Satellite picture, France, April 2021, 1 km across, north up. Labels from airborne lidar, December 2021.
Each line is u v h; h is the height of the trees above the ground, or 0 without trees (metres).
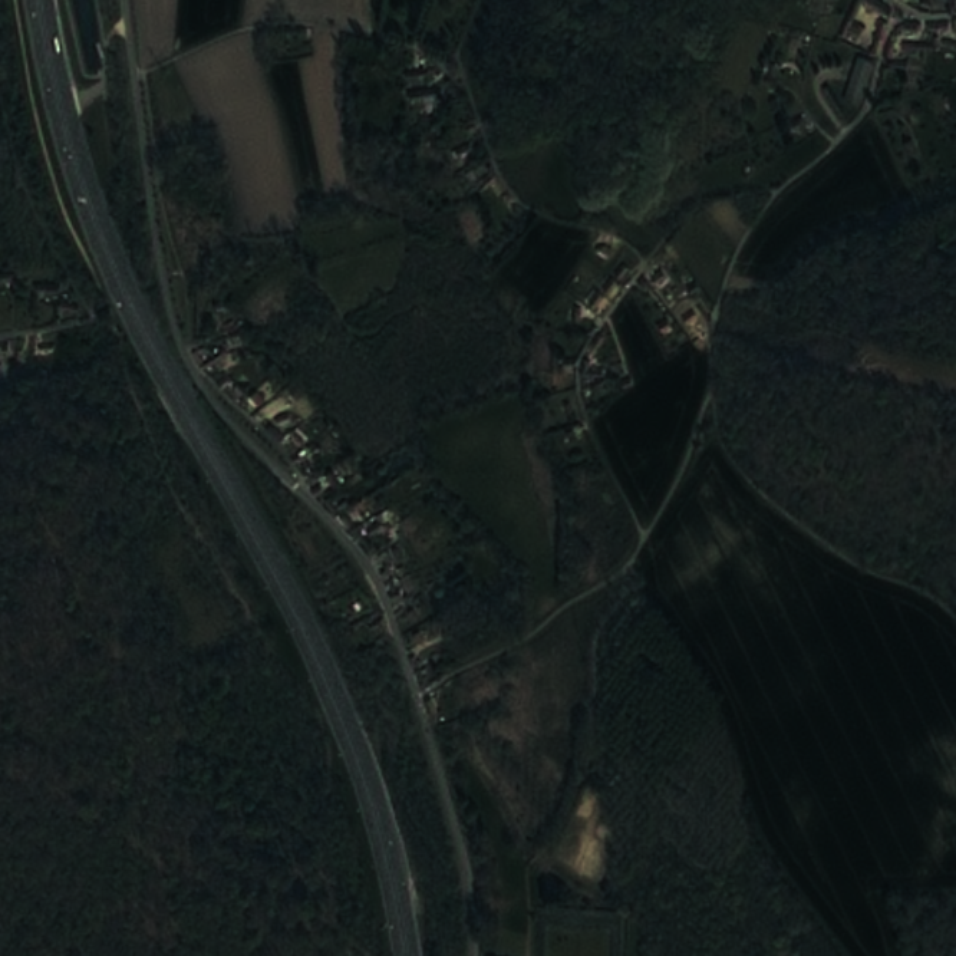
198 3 0
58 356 0
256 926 12
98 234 0
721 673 0
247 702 25
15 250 33
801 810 0
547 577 0
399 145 20
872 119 0
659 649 33
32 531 20
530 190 0
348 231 0
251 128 0
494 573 0
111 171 0
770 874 18
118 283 0
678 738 28
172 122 0
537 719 0
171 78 0
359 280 0
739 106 8
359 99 23
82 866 20
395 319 7
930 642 0
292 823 20
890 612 0
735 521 0
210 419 11
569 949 0
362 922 19
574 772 20
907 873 0
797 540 0
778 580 0
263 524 0
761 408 17
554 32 21
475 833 23
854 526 17
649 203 14
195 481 16
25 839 19
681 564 0
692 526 0
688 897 20
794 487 25
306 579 0
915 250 32
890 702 0
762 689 0
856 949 0
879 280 21
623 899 17
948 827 0
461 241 8
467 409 20
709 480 0
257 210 0
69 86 0
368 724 11
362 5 0
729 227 0
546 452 15
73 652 21
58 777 22
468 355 8
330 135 0
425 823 28
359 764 0
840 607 0
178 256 0
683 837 29
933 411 8
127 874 15
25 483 21
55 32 0
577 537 22
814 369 18
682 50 9
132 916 16
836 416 16
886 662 0
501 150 20
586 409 7
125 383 20
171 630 20
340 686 0
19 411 20
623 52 17
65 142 0
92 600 20
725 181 0
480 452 0
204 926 19
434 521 0
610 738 21
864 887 0
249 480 0
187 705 24
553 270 0
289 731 31
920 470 23
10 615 25
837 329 13
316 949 25
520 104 26
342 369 22
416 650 0
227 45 0
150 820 24
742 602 0
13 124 7
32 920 17
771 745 0
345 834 25
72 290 11
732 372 17
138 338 0
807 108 0
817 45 0
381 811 0
